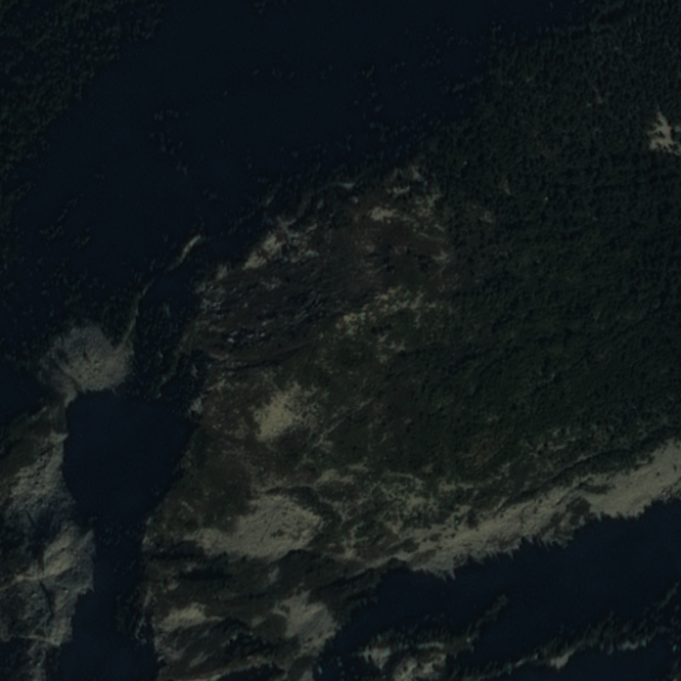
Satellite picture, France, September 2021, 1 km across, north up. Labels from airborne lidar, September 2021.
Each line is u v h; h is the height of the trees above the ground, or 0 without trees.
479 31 19
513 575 0
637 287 14
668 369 8
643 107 15
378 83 6
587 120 16
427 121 14
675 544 0
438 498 0
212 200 12
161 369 10
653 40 19
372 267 0
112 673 0
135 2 7
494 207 20
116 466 13
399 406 0
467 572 0
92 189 8
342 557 0
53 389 0
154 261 15
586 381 7
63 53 7
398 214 0
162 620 0
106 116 8
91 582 0
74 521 0
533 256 0
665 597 14
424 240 0
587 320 6
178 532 0
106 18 8
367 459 0
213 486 0
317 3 8
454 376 8
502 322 6
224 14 8
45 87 6
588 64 10
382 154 0
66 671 0
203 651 0
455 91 11
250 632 8
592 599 0
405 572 0
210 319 0
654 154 7
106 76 0
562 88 13
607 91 17
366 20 8
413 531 0
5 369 0
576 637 12
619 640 11
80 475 6
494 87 8
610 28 9
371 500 0
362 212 0
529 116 16
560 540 0
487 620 14
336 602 0
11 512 0
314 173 13
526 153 10
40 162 8
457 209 13
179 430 0
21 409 0
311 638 0
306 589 0
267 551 0
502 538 0
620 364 5
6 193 7
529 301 12
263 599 0
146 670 0
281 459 0
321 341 0
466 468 7
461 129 10
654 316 10
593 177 16
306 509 0
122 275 15
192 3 7
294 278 0
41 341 7
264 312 0
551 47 13
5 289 8
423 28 17
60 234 14
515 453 8
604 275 8
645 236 8
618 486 0
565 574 0
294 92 0
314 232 0
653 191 8
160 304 8
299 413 0
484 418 7
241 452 0
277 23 7
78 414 0
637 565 0
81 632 0
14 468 0
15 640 0
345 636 0
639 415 9
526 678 0
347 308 0
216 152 16
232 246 6
